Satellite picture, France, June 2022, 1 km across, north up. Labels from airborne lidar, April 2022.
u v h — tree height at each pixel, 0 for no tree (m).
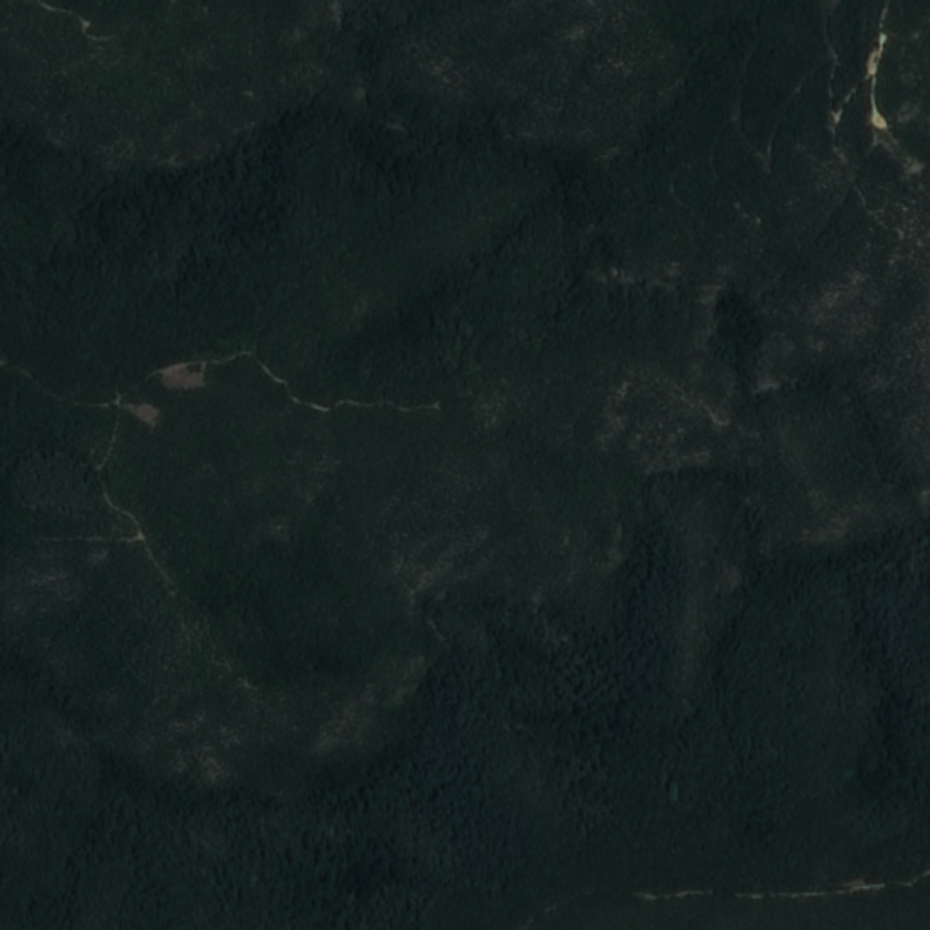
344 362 11
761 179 9
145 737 6
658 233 7
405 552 7
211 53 7
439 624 8
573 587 6
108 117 6
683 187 6
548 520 6
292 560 8
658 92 7
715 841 7
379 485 6
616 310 10
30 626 7
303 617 8
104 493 9
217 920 10
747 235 6
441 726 7
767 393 10
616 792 11
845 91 7
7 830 14
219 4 7
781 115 6
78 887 11
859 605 7
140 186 9
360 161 8
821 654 9
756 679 11
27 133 11
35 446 8
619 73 6
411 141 8
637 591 10
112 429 6
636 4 6
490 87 6
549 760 12
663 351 8
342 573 6
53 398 7
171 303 8
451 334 12
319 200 9
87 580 7
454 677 11
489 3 7
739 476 12
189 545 9
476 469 6
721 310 12
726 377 6
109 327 7
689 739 14
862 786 11
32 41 6
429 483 7
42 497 15
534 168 8
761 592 10
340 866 13
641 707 11
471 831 9
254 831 12
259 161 9
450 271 12
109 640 8
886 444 6
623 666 11
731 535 13
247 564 7
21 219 7
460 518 7
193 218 7
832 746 10
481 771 10
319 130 8
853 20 6
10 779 16
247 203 7
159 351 6
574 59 7
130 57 8
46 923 10
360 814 16
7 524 11
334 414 6
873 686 13
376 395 7
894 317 6
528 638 11
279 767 6
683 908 6
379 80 9
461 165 7
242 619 8
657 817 11
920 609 10
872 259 5
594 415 6
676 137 9
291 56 9
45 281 8
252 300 6
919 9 6
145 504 7
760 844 9
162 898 12
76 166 13
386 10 7
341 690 6
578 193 14
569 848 8
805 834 6
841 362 7
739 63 8
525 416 7
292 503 7
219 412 7
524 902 6
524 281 9
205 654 6
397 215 10
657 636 9
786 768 11
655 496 7
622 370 8
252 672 7
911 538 7
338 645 9
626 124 7
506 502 7
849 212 7
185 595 6
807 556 8
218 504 8
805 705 10
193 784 9
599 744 12
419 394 7
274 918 12
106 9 7
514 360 11
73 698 12
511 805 8
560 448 8
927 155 6
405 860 9
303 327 9
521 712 17
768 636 12
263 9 9
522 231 13
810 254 7
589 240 7
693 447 7
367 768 7
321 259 7
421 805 10
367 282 6
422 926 11
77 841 13
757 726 8
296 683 6
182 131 6
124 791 13
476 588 6
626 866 7
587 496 7
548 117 7
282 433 6
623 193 6
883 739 7
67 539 6
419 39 7
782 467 6
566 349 11
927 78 6
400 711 6
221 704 5
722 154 6
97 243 6
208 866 10
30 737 10
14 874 9
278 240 10
